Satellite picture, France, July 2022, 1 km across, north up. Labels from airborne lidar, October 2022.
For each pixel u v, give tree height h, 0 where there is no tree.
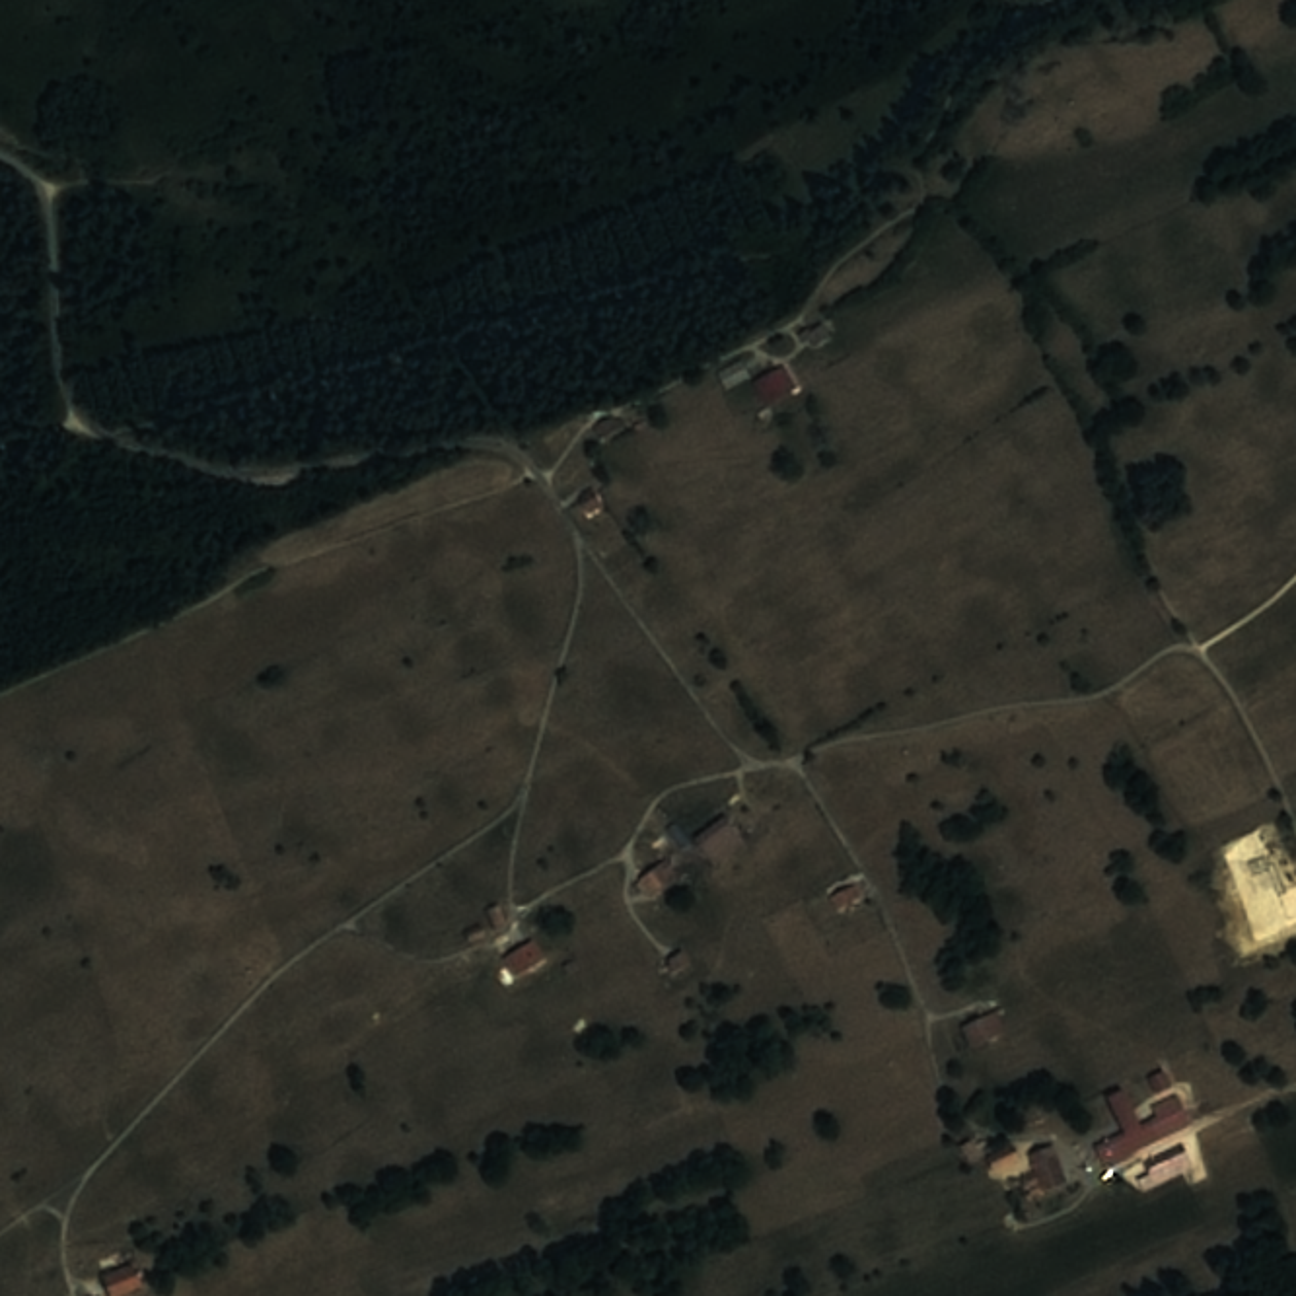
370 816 0
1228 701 0
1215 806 0
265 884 0
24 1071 0
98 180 7
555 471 0
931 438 0
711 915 0
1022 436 0
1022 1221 12
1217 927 0
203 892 0
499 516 0
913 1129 0
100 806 0
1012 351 0
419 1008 0
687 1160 0
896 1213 0
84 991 0
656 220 19
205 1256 24
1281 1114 18
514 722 0
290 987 0
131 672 0
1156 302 0
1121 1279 0
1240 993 0
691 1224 13
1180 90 6
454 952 0
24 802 0
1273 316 0
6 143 0
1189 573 0
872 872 0
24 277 20
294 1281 0
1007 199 0
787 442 0
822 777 0
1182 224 0
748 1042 18
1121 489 16
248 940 0
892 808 0
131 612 14
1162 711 0
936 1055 0
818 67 5
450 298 18
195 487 16
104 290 30
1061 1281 0
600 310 44
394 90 15
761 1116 0
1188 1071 0
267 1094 0
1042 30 24
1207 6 8
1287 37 0
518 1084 0
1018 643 0
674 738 0
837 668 0
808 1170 0
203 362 19
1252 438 0
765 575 0
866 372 0
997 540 0
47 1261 0
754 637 0
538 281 20
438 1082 0
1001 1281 0
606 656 0
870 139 0
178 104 0
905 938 0
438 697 0
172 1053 0
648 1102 0
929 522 0
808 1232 0
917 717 0
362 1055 0
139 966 0
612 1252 26
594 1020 0
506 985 0
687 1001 5
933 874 9
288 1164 21
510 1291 26
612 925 0
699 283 0
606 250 20
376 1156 0
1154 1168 0
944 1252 0
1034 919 0
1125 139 0
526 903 0
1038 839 0
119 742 0
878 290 9
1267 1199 17
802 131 0
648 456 0
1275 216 0
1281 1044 0
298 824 0
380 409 39
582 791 0
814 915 0
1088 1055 0
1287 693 0
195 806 0
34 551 15
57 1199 0
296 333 16
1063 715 0
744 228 17
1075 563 0
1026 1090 16
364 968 0
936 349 0
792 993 0
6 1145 0
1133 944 0
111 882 0
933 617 0
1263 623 0
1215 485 0
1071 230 0
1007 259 12
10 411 44
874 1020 0
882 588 0
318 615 0
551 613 0
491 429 27
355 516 0
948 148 11
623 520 0
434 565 0
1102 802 0
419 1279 0
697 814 0
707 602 0
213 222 7
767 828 0
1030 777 0
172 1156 0
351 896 0
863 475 0
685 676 0
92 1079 0
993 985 0
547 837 0
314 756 0
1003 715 0
